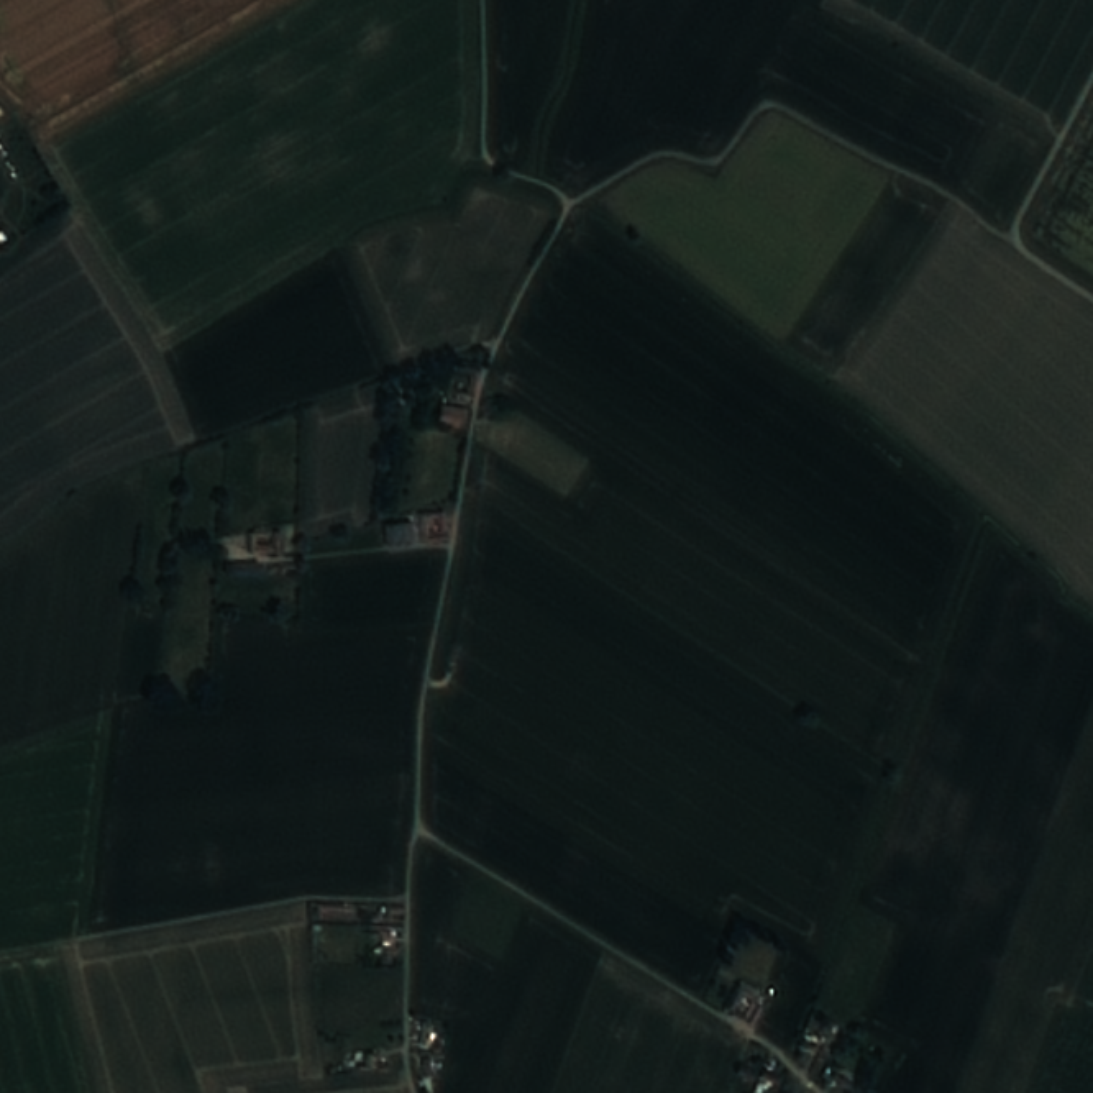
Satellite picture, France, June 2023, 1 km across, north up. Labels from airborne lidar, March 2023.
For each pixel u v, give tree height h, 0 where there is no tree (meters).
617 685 0
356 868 0
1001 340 0
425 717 0
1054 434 0
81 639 0
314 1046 0
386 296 0
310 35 0
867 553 0
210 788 0
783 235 0
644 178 0
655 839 0
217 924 0
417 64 0
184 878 0
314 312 0
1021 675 0
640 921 0
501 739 0
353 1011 0
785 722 0
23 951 0
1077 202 0
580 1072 0
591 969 0
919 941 0
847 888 0
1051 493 0
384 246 0
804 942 0
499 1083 0
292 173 0
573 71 0
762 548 0
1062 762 0
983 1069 0
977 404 0
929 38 0
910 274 0
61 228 0
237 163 0
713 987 7
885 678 0
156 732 0
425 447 0
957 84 0
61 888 0
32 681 0
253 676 0
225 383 0
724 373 0
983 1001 0
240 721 0
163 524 0
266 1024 0
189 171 0
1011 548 0
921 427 0
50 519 0
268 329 0
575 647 0
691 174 0
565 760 0
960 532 0
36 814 0
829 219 0
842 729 0
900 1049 0
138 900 0
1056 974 0
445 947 0
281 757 0
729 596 0
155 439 0
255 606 0
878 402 0
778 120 0
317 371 0
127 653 0
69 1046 0
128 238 0
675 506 0
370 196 0
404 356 0
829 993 0
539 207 0
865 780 0
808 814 0
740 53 0
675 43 0
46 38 0
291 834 0
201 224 0
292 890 0
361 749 0
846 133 0
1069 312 0
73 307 0
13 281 0
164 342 0
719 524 0
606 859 0
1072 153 0
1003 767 0
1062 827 0
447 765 0
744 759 0
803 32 0
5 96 0
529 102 0
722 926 0
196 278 0
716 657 0
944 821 0
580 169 0
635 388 0
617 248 0
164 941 0
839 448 0
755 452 0
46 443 0
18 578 0
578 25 0
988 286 0
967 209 0
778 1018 0
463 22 0
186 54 0
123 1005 0
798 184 0
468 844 0
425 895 0
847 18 0
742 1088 0
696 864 0
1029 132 0
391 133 0
